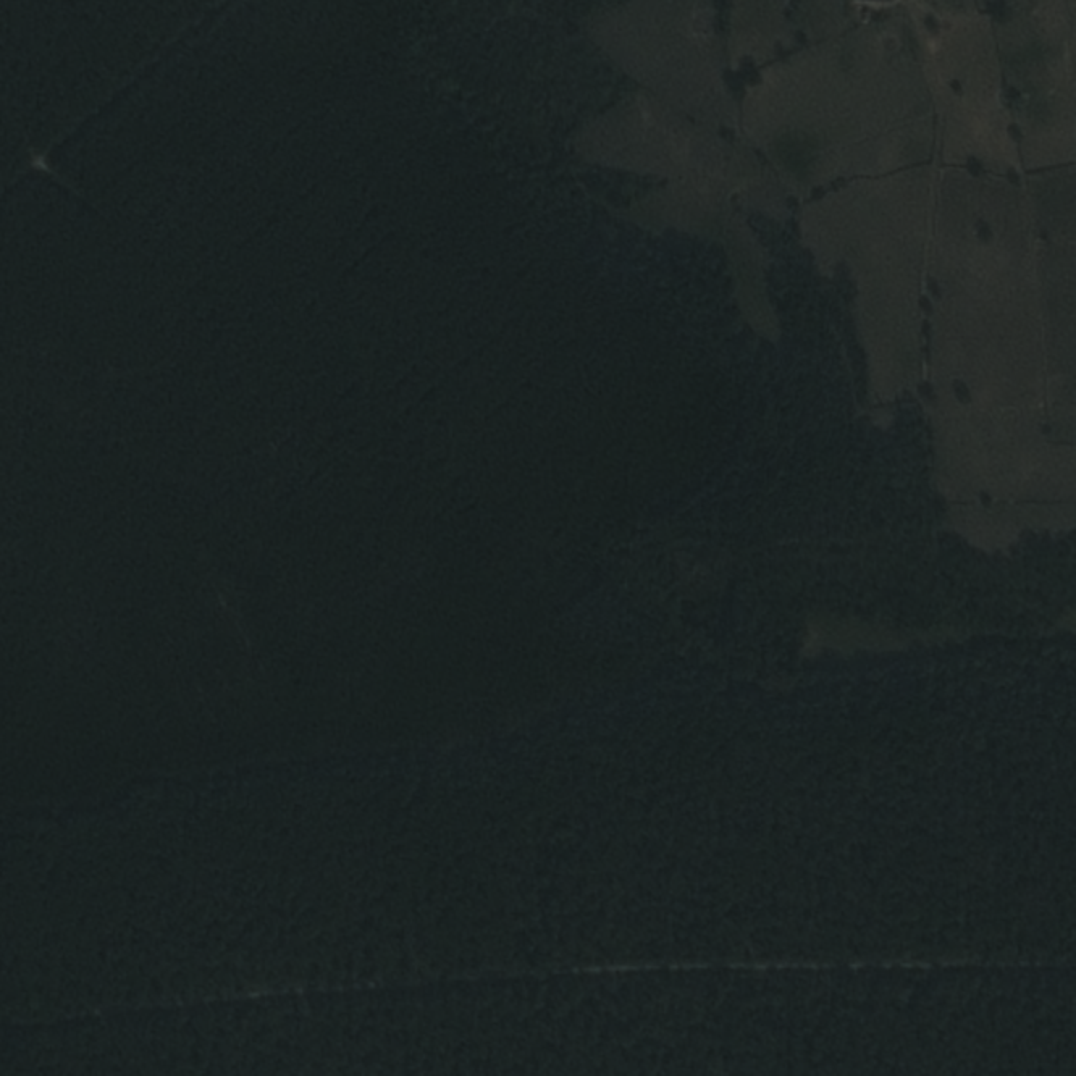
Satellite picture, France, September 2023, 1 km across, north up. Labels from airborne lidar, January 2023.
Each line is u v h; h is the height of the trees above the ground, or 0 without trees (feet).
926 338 26
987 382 0
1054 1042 88
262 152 60
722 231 0
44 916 102
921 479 29
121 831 94
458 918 93
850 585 34
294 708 43
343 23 51
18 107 64
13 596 48
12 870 93
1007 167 0
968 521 0
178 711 52
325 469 34
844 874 38
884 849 80
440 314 59
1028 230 0
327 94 50
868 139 0
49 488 49
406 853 106
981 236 38
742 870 86
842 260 0
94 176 56
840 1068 85
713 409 60
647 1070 72
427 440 66
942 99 0
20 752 54
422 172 39
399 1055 37
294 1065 81
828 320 29
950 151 0
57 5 76
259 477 50
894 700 105
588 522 65
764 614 83
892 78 0
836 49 0
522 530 50
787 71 0
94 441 41
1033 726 78
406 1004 88
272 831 97
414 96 57
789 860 85
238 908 73
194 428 59
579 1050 81
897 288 0
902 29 0
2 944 93
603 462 61
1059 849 93
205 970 88
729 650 71
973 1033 75
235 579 55
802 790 63
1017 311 0
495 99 75
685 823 78
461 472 57
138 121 57
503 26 48
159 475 43
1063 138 0
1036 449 0
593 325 49
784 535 33
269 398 55
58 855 109
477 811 103
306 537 39
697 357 59
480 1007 89
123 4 78
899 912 53
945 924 76
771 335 0
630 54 0
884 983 80
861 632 0
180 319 60
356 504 40
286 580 29
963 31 0
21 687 53
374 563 34
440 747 52
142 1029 89
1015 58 0
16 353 48
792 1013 37
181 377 55
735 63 0
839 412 53
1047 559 57
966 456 0
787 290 32
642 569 69
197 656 49
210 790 102
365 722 39
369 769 101
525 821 82
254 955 77
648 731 86
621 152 0
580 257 56
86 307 57
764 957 25
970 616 60
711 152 0
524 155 54
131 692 47
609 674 40
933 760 53
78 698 46
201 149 53
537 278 43
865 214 0
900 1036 79
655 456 55
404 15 78
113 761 61
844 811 70
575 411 52
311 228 63
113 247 59
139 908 79
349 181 64
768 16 0
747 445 82
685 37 0
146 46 47
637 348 58
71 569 49
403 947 83
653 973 21
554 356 46
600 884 81
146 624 55
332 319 50
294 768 97
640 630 87
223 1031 80
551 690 38
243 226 56
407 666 37
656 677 94
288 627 44
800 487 60
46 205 55
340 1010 72
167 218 54
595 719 83
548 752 77
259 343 56
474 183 60
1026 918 78
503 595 35
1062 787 88
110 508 49
